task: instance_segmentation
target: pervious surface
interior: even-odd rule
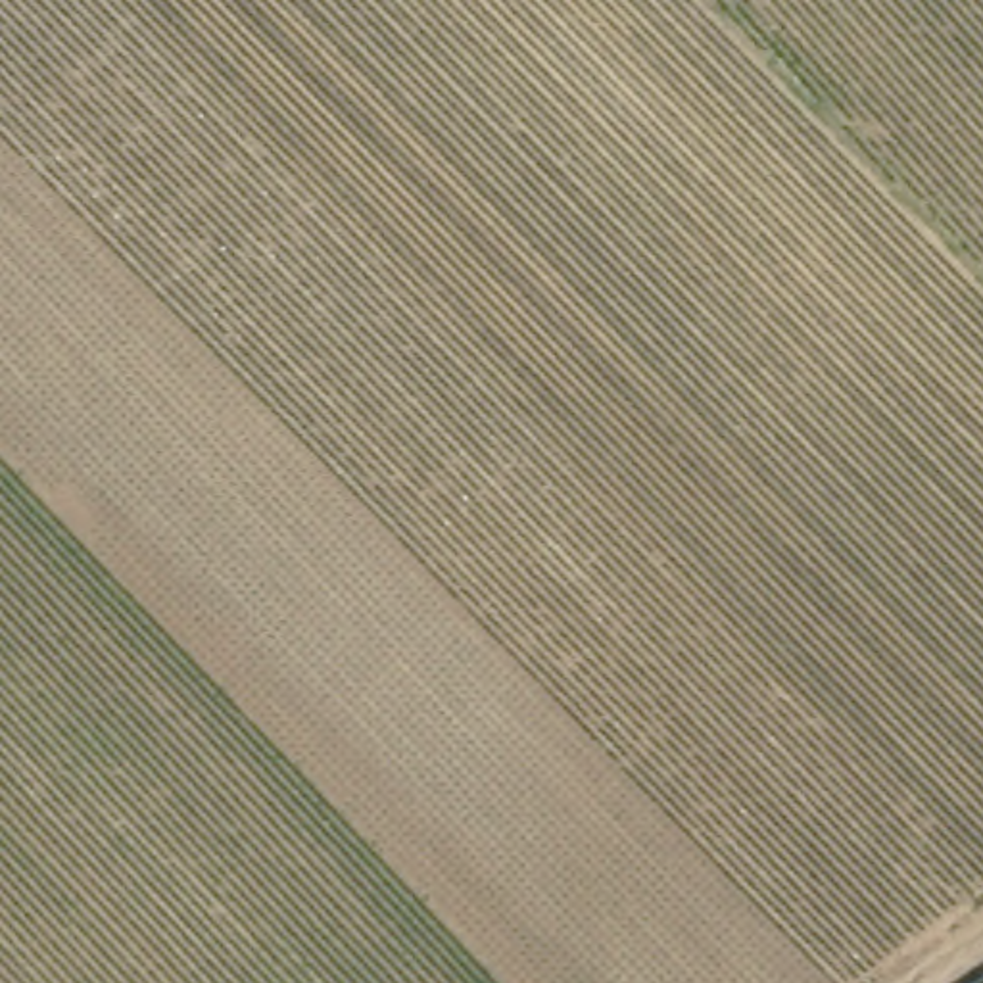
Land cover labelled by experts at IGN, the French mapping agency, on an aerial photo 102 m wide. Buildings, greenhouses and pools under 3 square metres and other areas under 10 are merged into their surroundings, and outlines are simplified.
[[[983,983],[983,910],[952,906],[925,929],[895,945],[875,968],[837,983]]]

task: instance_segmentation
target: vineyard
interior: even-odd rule
[[[983,0],[0,0],[0,983],[837,983],[875,968],[895,945],[925,929],[952,906],[983,910]]]

